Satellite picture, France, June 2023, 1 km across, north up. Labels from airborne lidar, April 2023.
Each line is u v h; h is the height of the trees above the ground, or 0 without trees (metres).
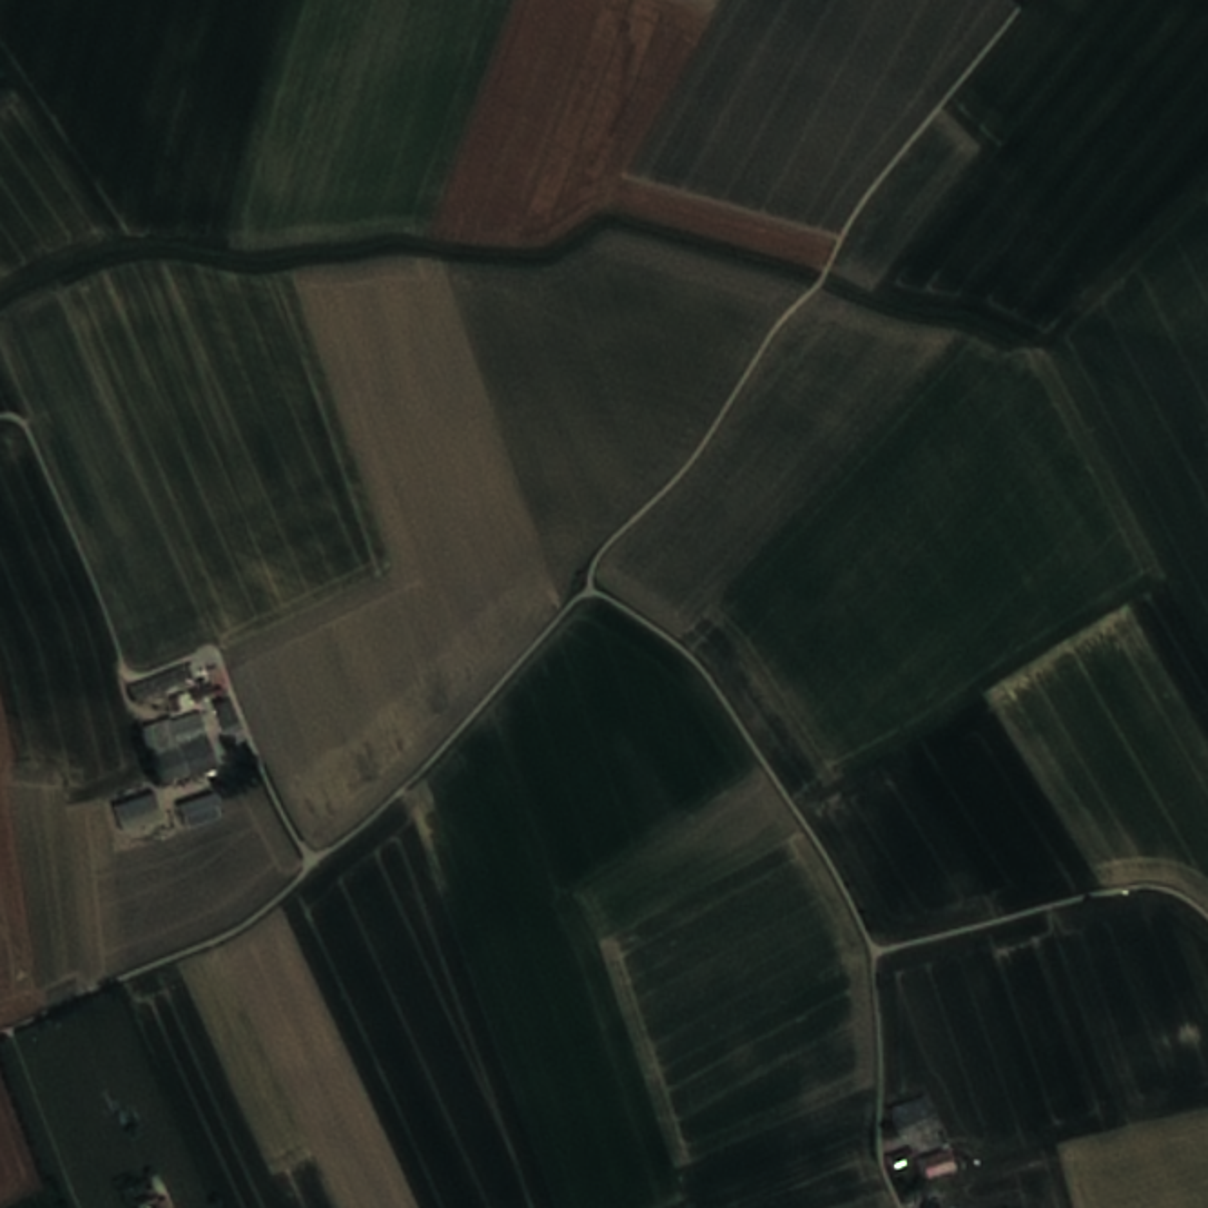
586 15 0
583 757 0
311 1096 0
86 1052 0
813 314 0
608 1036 0
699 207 0
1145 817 0
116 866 0
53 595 0
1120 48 0
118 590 0
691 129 0
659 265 0
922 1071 0
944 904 0
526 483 0
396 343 0
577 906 0
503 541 0
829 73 0
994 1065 0
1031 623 0
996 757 0
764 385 0
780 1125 0
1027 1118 0
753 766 0
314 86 0
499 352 0
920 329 0
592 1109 0
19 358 0
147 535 0
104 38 0
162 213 0
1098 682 0
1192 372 0
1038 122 0
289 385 0
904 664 0
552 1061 0
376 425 0
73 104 0
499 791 0
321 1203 0
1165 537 0
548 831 0
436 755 0
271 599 0
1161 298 0
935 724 0
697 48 0
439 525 0
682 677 0
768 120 0
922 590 0
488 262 0
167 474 0
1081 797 0
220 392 0
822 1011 0
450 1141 0
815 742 0
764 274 0
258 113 0
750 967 0
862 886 0
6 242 0
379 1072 0
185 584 0
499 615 0
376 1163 0
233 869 0
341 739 0
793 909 0
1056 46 0
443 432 0
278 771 0
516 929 0
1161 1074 0
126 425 0
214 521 0
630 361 0
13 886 0
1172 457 0
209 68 0
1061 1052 0
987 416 0
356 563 0
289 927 0
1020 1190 0
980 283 0
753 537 0
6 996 0
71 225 0
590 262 0
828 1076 0
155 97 0
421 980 0
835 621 0
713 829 0
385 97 0
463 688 0
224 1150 0
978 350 0
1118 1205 0
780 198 0
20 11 0
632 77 0
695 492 0
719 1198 0
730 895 0
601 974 0
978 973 0
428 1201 0
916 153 0
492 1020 0
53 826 0
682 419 0
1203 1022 0
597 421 0
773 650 0
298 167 0
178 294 0
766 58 0
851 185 0
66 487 0
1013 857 0
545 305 0
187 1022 0
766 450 0
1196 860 0
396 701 0
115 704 0
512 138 0
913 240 0
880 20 0
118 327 0
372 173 0
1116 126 0
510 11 0
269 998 0
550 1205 0
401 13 0
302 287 0
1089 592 0
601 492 0
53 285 0
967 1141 0
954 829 0
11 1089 8
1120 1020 0
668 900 0
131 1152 0
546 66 0
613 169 0
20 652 0
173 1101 0
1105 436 0
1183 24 0
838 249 0
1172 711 0
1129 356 0
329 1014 0
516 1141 0
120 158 0
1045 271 0
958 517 0
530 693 0
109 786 0
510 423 0
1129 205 0
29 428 0
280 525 0
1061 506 0
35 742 0
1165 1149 0
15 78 0
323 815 0
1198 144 0
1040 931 0
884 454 0
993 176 0
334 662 0
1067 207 0
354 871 0
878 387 0
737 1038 0
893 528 0
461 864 0
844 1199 0
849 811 0
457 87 0
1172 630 0
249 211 0
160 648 0
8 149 0
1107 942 0
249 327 0
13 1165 0
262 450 0
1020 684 0
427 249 0
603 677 0
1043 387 0
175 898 0
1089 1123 0
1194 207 0
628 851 0
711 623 0
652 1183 0
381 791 0
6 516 0
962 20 0
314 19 0
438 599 0
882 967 0
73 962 0
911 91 0
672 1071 0
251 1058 0
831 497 0
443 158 0
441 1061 0
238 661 0
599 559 0
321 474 0
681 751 0
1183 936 0
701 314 0
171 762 0
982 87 0
